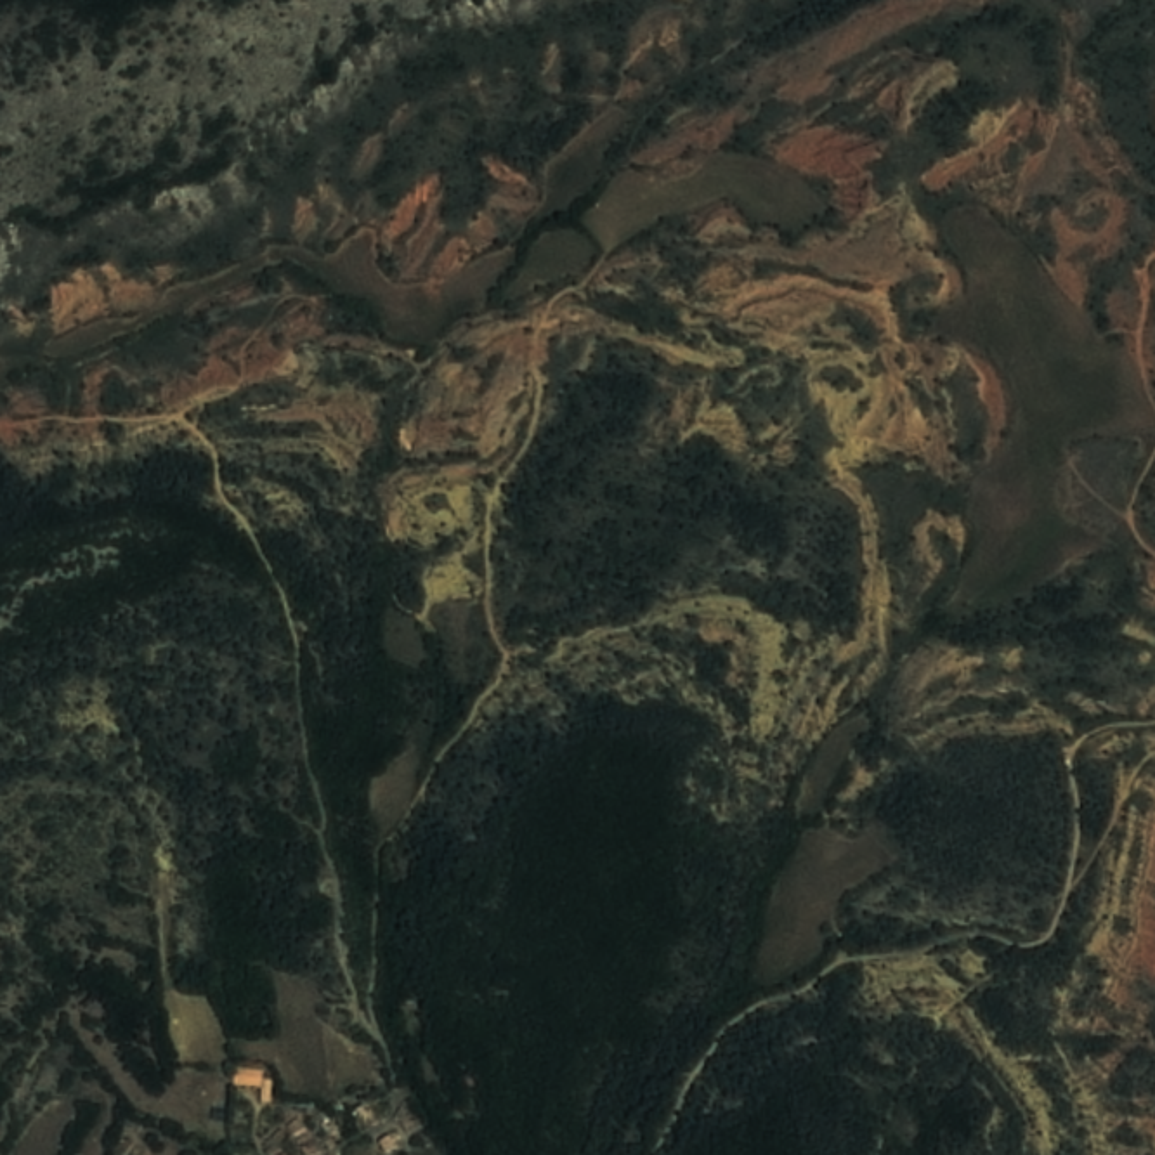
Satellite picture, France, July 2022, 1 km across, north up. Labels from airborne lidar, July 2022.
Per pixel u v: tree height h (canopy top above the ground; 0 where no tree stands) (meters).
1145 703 0
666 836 6
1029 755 7
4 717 6
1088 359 0
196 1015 0
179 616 13
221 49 0
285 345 0
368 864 10
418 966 7
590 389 9
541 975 6
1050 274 0
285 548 12
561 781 6
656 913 7
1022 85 0
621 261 0
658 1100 12
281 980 0
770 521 8
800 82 0
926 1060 8
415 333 0
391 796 0
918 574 0
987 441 0
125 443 0
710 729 10
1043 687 10
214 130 7
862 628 0
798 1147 7
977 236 0
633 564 10
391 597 6
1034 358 0
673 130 0
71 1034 8
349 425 0
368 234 0
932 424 0
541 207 0
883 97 0
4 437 0
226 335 0
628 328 0
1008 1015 11
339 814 9
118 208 0
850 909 9
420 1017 14
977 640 6
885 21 0
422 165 0
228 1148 12
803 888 0
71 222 7
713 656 6
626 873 6
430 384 0
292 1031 0
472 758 9
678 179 0
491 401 0
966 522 0
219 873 6
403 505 0
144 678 13
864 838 0
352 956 7
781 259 0
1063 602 7
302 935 6
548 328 0
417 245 0
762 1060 5
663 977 7
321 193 0
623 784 6
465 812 6
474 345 0
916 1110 7
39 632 7
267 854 8
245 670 9
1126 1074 6
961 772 9
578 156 0
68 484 7
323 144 0
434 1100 7
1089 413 0
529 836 7
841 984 8
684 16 0
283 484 9
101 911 0
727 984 6
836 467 0
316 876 6
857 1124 10
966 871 8
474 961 8
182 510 8
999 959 10
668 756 9
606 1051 6
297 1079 0
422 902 6
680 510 8
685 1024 10
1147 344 0
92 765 10
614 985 5
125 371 0
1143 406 0
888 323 0
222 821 8
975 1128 6
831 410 0
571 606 7
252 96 0
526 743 10
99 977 10
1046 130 0
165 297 0
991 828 7
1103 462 0
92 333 0
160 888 0
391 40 0
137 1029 10
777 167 0
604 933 8
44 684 10
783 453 0
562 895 7
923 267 0
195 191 0
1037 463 0
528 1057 9
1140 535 0
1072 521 0
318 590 6
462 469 0
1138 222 0
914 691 0
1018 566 0
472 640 0
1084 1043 8
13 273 0
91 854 0
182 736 11
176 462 10
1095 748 0
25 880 8
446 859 10
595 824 6
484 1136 8
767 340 0
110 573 6
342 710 8
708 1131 10
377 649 7
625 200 0
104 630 8
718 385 0
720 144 6
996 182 0
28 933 8
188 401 0
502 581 7
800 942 0
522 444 0
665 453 10
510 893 7
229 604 7
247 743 8
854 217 0
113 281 0
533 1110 10
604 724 13
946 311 0
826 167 0
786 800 9
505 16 0
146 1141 9
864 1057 7
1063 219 0
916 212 0
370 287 0
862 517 0
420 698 8
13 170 0
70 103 0
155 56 0
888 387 0
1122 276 0
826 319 0
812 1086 9
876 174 0
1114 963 0
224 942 8
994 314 0
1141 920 0
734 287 0
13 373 6
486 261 0
